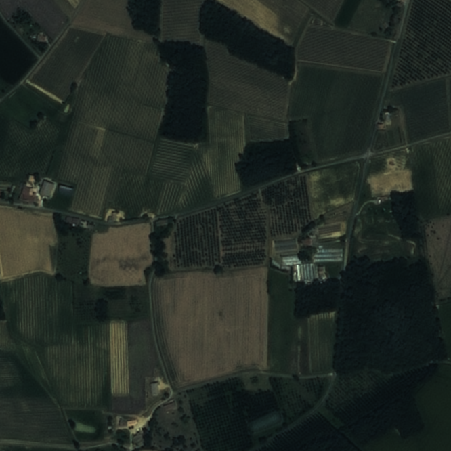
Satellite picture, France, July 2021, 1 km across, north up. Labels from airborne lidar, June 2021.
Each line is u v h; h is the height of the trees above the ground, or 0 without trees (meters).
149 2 20
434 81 0
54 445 0
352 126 0
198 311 0
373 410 9
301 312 13
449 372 0
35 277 0
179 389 0
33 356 0
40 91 0
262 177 18
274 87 0
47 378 0
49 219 0
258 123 0
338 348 18
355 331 19
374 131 0
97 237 0
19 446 0
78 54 0
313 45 0
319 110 0
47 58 0
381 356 19
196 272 0
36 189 0
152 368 0
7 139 0
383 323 18
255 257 6
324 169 0
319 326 0
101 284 0
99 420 0
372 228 0
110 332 0
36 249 0
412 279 7
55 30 0
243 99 0
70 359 0
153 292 0
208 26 18
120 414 0
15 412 0
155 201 0
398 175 0
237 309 0
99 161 0
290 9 0
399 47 0
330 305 22
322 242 0
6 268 0
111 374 0
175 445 8
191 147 0
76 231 13
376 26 0
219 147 0
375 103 0
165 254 7
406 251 0
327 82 0
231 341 0
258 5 0
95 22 0
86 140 0
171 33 0
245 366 0
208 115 17
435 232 6
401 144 0
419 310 19
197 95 25
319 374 0
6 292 0
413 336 16
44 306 0
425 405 0
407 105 0
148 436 17
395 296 14
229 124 0
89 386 0
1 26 0
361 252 0
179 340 0
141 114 0
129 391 0
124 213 0
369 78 0
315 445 20
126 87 0
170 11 0
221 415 9
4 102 0
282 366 0
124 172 0
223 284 0
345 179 0
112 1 0
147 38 0
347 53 0
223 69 0
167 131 9
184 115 22
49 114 0
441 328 9
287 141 12
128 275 0
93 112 0
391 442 0
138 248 0
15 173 0
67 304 0
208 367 0
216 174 0
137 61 0
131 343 0
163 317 0
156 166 0
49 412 0
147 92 0
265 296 0
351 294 19
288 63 18
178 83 22
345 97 0
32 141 0
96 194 0
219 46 0
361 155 0
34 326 0
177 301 0
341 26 0
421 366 15
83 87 0
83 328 0
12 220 0
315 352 0
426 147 0
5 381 0
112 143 0
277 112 0
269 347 0
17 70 0
